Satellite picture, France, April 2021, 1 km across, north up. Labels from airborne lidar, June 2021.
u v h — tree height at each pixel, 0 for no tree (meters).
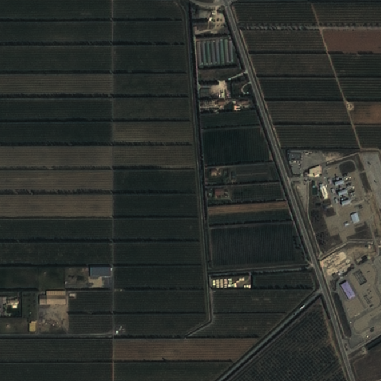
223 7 0
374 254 0
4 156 0
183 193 13
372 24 9
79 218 12
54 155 0
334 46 0
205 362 12
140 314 13
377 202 0
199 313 13
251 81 0
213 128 8
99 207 0
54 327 0
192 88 0
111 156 0
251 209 0
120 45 21
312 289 12
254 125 7
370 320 0
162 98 16
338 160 0
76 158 0
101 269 0
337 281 0
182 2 0
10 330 0
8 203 0
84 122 20
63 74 17
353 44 0
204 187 10
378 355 0
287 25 8
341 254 0
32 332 0
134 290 18
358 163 0
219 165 10
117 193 13
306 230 0
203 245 0
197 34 0
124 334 0
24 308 0
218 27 0
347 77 13
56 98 21
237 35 0
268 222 9
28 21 16
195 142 0
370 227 0
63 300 0
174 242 17
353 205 0
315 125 15
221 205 9
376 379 0
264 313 7
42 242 25
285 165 0
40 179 0
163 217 12
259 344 0
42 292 0
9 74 17
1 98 19
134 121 13
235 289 16
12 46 21
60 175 0
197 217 10
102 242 19
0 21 17
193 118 0
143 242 19
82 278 0
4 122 16
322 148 5
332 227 0
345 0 15
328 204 0
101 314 15
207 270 6
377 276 0
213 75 0
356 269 0
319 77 14
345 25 9
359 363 0
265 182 9
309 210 0
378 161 0
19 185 0
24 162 0
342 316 0
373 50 0
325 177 0
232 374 9
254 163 10
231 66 11
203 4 0
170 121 15
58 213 0
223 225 9
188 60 0
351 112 0
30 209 0
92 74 17
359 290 0
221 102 0
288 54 15
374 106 0
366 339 0
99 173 0
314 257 0
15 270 0
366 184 0
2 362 10
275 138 0
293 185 0
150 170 21
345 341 0
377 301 0
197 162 0
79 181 0
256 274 19
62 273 0
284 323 0
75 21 15
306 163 0
